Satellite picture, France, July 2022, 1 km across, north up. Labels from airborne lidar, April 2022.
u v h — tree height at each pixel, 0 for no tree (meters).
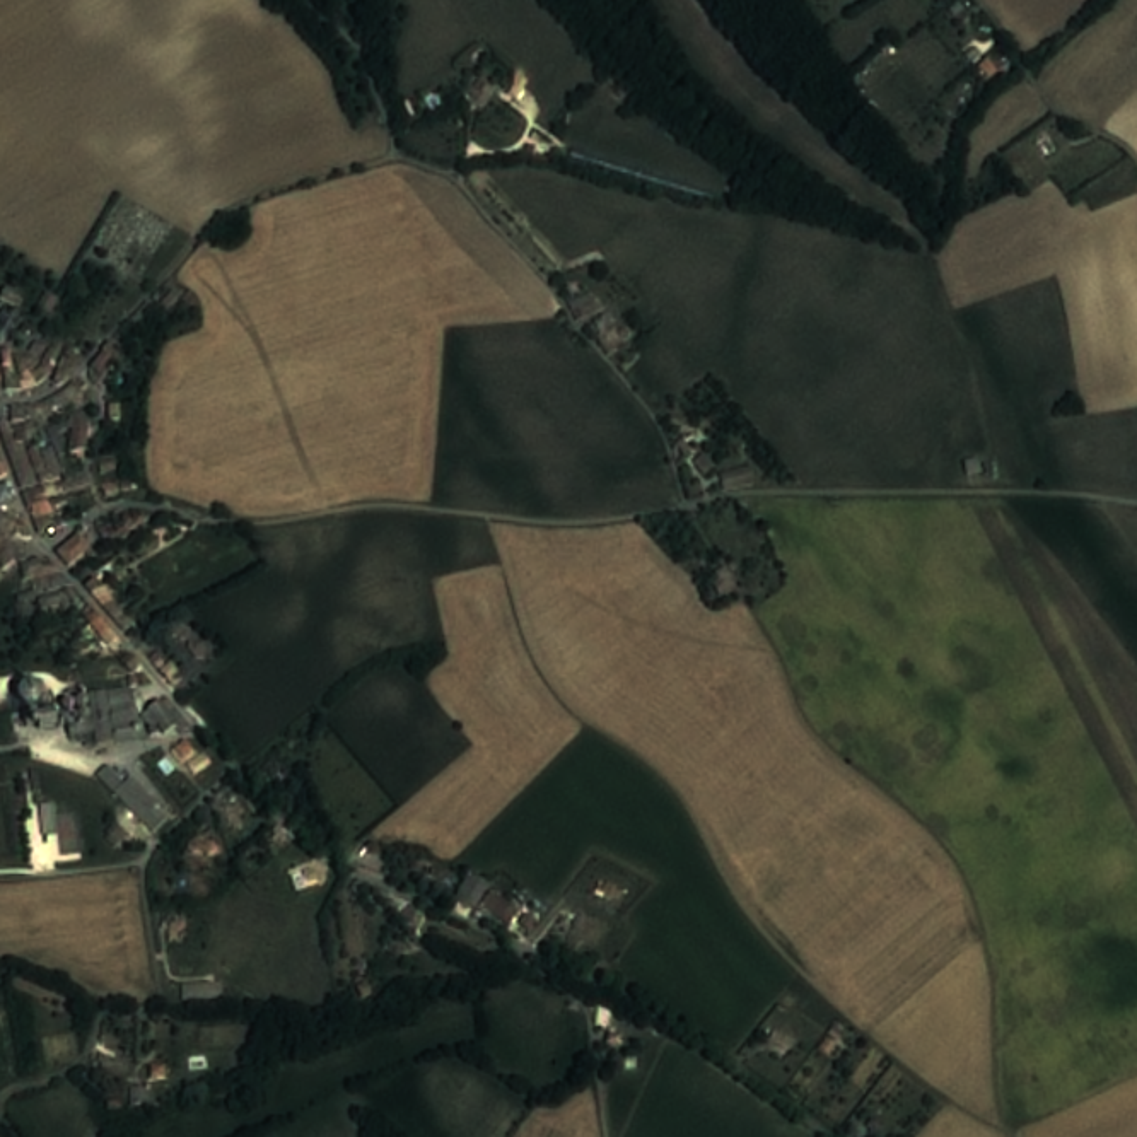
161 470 0
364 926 0
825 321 0
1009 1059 0
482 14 0
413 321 0
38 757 0
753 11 16
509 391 0
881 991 0
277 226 0
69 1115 0
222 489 0
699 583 6
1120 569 0
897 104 0
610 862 0
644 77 21
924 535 0
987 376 0
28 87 0
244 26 0
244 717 0
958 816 0
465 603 0
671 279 0
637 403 0
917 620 0
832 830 0
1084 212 0
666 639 0
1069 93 0
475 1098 0
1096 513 0
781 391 0
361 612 0
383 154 0
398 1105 0
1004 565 0
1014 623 0
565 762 0
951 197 12
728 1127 0
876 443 0
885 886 0
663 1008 20
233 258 0
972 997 0
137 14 0
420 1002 6
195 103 0
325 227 0
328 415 0
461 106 12
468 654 0
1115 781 0
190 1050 0
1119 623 0
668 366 0
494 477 0
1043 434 0
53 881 0
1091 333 0
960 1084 0
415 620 0
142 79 0
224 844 6
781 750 0
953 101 0
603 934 0
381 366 0
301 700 0
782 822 0
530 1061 0
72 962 0
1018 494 0
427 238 0
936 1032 0
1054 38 7
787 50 21
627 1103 0
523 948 0
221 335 0
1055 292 0
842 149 23
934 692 0
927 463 0
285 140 0
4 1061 0
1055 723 0
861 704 0
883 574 0
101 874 0
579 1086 19
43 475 0
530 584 0
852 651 0
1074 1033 0
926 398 0
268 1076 16
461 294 0
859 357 0
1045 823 0
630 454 0
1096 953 0
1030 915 0
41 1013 0
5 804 0
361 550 0
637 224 0
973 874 0
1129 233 0
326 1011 12
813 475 0
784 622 0
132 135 0
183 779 0
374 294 0
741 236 0
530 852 0
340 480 0
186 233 0
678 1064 0
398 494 0
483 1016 6
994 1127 0
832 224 13
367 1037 18
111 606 0
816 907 0
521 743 0
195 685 10
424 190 0
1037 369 0
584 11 19
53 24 0
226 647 12
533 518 0
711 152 14
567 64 0
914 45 0
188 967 0
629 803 0
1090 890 0
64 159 0
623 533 0
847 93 10
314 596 0
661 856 0
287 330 0
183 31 0
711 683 0
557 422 0
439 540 0
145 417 7
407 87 0
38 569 0
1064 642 0
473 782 0
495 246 0
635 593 0
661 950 0
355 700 0
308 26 15
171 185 0
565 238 0
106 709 0
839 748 0
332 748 0
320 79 0
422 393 0
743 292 0
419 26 0
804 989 0
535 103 0
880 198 0
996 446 0
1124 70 0
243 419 0
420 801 0
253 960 0
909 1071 0
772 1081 0
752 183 20
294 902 0
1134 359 0
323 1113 0
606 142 0
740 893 0
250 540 7
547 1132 0
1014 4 0
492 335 0
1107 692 0
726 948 0
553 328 0
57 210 0
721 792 0
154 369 7
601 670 0
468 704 0
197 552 0
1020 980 0
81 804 0
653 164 0
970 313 0
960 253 0
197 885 13
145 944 0
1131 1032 0
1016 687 0
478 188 0
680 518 11
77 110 0
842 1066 10
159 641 18
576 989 14
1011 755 0
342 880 10
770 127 0
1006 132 0
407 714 0
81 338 0
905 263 0
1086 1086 0
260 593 0
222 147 0
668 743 0
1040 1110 0
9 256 12
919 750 0
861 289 0
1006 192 9
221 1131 0
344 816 0
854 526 0
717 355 0
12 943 0
